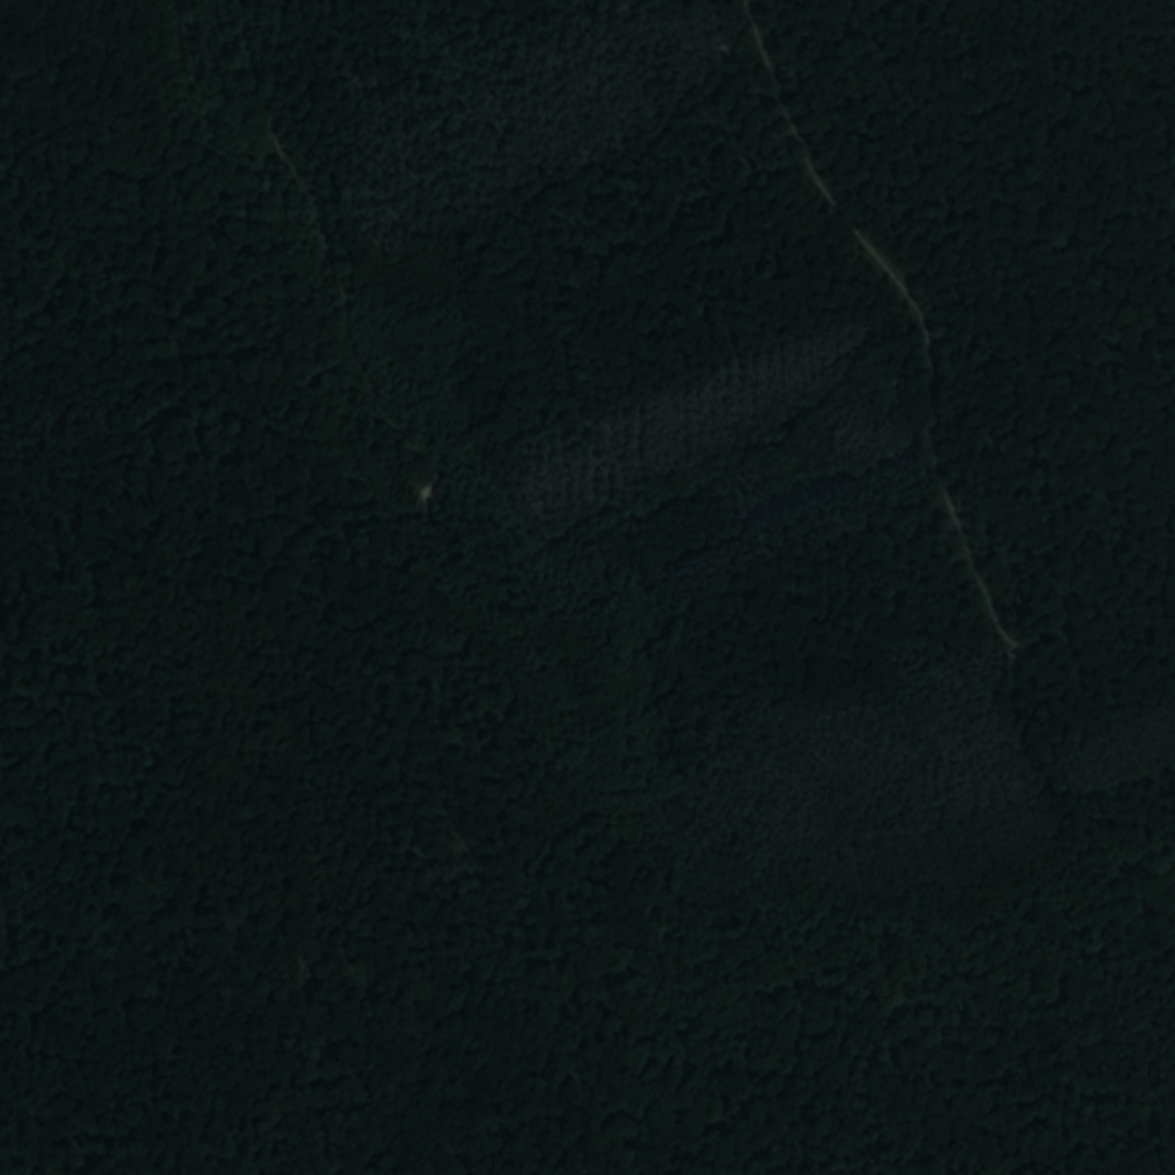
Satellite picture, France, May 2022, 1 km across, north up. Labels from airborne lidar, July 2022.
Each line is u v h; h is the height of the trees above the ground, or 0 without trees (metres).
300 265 27
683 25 24
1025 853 16
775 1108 25
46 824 24
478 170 21
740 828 23
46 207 23
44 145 18
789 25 23
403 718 23
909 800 23
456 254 7
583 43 22
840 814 16
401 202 23
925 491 25
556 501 19
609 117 20
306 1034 29
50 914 25
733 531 23
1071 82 25
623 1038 21
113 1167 21
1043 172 26
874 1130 20
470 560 8
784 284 25
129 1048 18
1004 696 22
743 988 23
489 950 21
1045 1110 25
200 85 14
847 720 23
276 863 16
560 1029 29
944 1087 27
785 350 16
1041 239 21
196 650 16
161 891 28
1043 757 8
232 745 20
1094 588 26
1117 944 23
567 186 23
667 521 25
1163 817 29
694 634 23
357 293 13
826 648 26
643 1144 26
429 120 23
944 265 26
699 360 20
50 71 22
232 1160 15
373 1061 24
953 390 22
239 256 22
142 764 22
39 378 16
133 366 22
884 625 28
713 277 25
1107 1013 25
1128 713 21
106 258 16
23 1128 22
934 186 24
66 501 21
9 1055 18
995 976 23
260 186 24
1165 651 21
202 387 24
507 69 19
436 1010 29
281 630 22
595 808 15
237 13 21
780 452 23
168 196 26
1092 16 25
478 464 21
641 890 26
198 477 17
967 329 26
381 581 23
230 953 25
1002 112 25
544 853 17
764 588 22
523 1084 26
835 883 17
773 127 24
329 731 23
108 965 26
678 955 23
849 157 26
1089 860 28
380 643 26
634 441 16
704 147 25
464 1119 28
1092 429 27
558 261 21
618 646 20
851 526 25
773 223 24
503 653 11
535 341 19
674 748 18
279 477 24
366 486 16
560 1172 27
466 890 20
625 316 22
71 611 19
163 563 20
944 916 27
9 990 23
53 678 23
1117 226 24
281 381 24
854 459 22
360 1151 29
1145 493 25
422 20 22
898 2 24
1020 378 23
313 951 27
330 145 18
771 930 22
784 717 18
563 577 19
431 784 16
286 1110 23
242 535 24
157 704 26
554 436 20
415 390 21
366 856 17
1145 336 8
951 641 23
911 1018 28
